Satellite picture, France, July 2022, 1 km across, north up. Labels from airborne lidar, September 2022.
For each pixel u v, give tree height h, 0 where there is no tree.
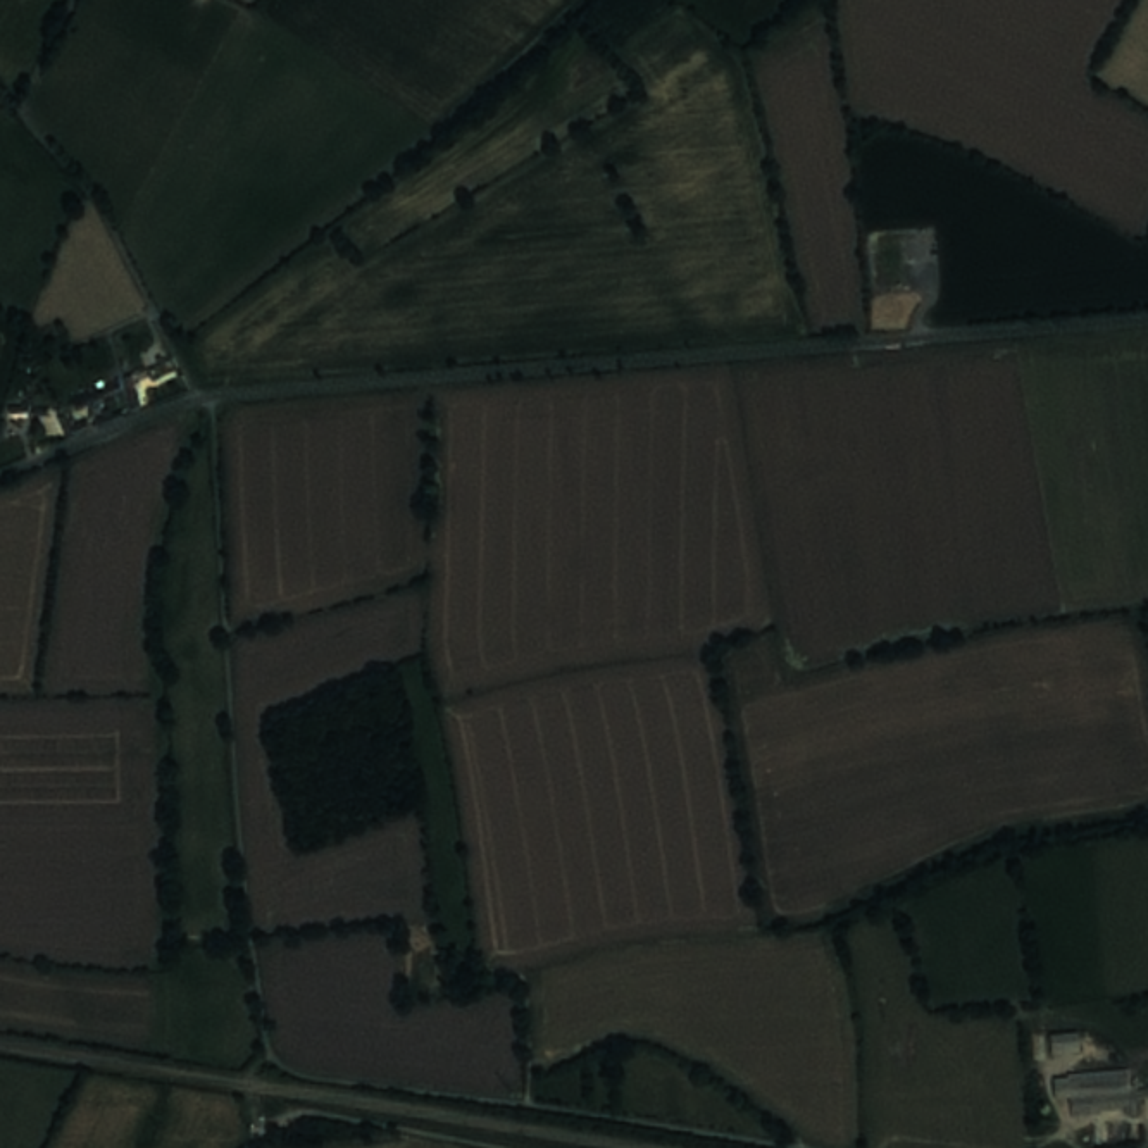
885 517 0
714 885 0
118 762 0
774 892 0
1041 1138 0
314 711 20
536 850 0
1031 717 0
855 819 0
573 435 0
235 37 0
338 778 22
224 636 15
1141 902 0
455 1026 0
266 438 0
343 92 0
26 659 0
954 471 0
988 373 0
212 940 16
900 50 0
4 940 0
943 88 0
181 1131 0
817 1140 0
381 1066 0
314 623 0
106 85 0
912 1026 0
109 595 0
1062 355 0
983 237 0
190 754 0
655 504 0
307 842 18
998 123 0
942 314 0
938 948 0
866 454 0
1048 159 0
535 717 0
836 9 8
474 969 14
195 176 0
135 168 0
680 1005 0
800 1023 0
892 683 0
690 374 0
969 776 0
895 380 0
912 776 0
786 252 11
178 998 0
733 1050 0
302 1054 0
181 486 19
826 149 0
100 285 0
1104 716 0
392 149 0
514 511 0
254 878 0
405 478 0
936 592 0
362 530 0
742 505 0
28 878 0
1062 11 0
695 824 0
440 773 0
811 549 0
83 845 0
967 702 0
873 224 0
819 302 0
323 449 0
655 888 0
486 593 0
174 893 18
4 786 0
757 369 0
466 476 0
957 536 0
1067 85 0
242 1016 0
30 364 6
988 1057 0
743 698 0
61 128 0
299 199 0
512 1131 0
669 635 0
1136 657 0
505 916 0
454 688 0
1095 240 0
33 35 0
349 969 0
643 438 0
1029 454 0
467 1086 0
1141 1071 0
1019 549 0
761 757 0
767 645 0
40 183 0
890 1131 0
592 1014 0
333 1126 8
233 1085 0
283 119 0
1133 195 0
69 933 0
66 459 17
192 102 0
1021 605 0
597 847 0
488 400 0
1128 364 0
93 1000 0
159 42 0
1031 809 0
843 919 8
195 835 0
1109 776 0
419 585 9
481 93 16
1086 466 0
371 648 0
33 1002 0
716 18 0
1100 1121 0
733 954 0
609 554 0
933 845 0
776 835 0
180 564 0
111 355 0
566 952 0
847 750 0
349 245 13
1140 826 21
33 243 0
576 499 0
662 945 0
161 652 17
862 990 0
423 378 0
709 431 0
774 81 0
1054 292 0
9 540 0
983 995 0
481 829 0
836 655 0
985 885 0
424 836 13
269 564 0
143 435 0
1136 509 0
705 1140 7
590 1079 8
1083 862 0
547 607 0
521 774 0
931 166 0
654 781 0
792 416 0
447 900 0
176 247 0
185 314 0
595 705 0
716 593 0
